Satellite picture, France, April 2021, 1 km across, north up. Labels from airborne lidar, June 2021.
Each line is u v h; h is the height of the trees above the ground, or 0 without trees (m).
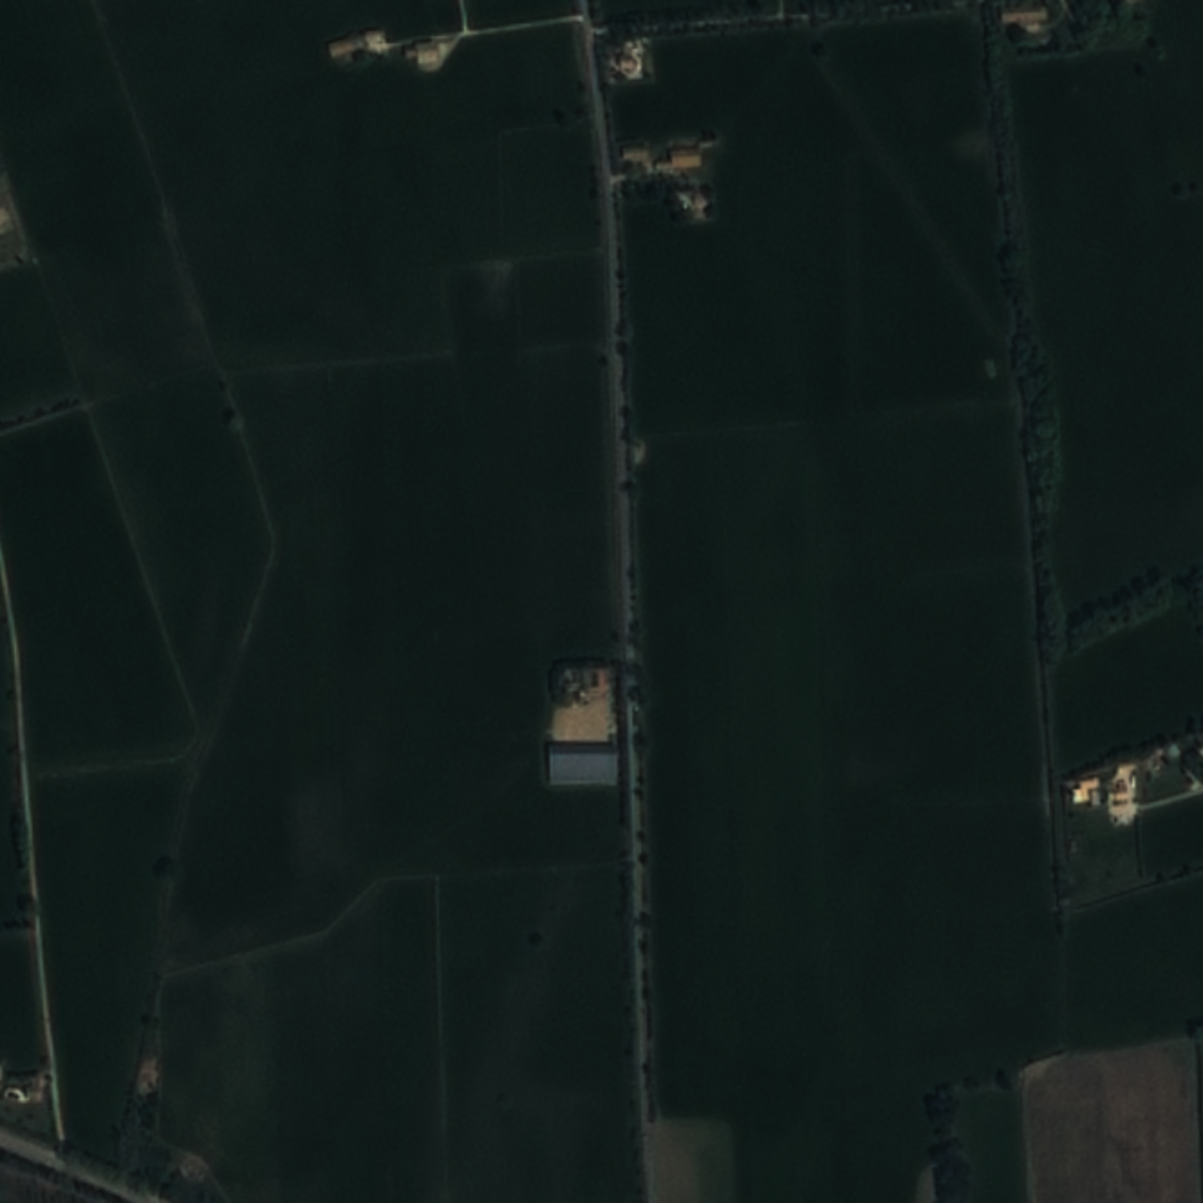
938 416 0
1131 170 0
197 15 0
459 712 0
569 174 0
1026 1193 0
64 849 0
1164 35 0
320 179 0
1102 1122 0
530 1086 0
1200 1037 18
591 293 0
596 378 0
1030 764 0
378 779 0
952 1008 0
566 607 0
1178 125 0
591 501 0
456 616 0
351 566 0
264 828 0
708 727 0
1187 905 0
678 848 0
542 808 0
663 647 0
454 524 0
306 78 0
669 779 0
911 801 0
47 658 0
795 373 0
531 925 0
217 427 0
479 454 0
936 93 0
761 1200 0
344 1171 0
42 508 0
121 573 0
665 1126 0
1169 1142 0
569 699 13
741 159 0
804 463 0
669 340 0
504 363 0
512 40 0
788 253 0
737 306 0
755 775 0
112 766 0
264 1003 0
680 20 10
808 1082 0
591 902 0
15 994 0
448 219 0
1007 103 13
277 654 0
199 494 0
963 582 0
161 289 0
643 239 0
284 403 0
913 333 0
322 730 0
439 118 0
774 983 0
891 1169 0
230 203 0
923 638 0
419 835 0
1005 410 0
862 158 0
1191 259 0
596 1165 0
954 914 0
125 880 0
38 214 0
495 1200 0
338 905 0
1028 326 6
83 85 0
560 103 0
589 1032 0
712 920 0
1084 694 0
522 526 0
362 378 0
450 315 0
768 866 0
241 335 0
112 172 0
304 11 0
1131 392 0
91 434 0
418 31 0
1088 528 0
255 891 0
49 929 0
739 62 0
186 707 0
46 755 0
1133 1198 0
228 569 0
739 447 0
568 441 0
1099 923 0
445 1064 0
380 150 0
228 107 0
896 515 0
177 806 0
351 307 0
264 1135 0
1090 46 17
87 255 0
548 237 0
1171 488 0
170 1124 0
